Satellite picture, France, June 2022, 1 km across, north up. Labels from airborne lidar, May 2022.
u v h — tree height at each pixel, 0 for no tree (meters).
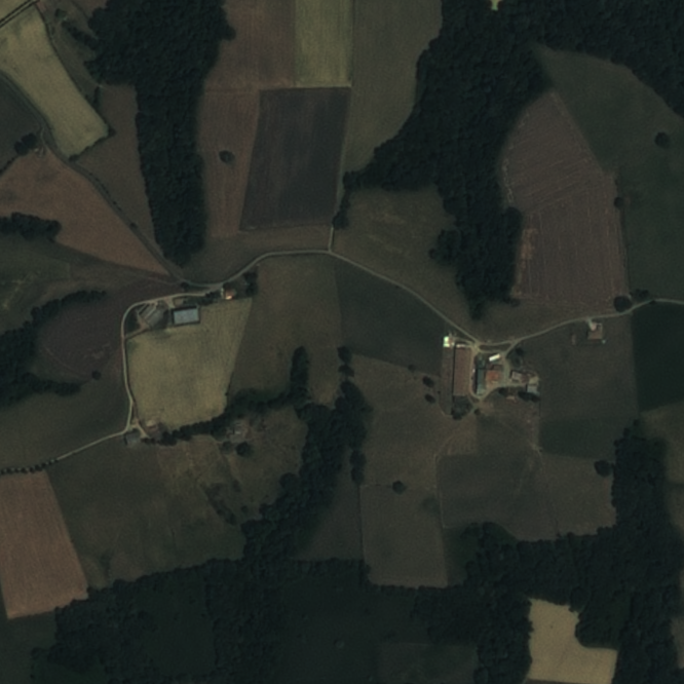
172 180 25
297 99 0
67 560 0
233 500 0
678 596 18
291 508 19
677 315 0
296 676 0
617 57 19
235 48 0
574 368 0
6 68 0
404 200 0
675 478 0
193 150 24
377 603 0
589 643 12
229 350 0
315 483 27
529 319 0
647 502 28
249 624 25
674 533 19
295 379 14
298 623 0
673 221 0
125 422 0
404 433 0
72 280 0
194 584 0
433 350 0
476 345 0
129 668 28
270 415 0
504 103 13
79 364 0
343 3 0
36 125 0
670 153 0
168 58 20
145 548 0
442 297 0
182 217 21
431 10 0
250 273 6
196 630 0
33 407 0
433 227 0
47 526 0
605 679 0
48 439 0
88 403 0
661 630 26
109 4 14
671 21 15
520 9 18
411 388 0
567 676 0
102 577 0
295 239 0
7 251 0
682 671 17
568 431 0
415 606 8
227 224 0
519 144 0
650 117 0
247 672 21
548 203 0
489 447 0
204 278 0
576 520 0
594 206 0
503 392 14
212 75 0
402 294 0
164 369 0
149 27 16
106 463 0
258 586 20
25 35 0
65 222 0
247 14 0
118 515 0
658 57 20
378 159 7
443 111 13
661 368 0
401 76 0
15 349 19
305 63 0
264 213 0
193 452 0
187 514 0
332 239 0
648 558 25
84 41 6
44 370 0
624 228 0
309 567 11
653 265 0
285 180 0
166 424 0
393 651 0
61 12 8
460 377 0
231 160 11
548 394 0
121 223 0
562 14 20
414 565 0
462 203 19
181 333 0
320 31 0
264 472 0
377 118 0
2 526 0
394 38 0
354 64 0
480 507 0
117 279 0
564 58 0
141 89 16
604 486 0
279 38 0
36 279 0
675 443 0
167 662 0
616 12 14
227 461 0
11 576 0
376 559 0
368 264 0
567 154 0
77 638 20
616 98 0
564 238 0
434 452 0
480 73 22
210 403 0
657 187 0
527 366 0
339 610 0
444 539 0
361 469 10
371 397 0
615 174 0
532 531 0
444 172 21
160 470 0
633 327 0
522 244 0
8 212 0
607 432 0
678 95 22
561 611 0
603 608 11
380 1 0
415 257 0
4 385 22
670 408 0
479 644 14
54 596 0
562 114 0
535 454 0
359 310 0
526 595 23
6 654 0
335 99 0
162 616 0
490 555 19
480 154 21
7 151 0
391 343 0
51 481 0
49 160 0
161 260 0
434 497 0
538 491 0
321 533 0
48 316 15
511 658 26
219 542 0
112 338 0
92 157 0
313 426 20
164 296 0
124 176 0
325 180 0
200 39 12
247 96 0
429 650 0
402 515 0
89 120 0
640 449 24
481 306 10
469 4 18
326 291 0
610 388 0
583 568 8
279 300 0
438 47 18
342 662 0
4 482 0
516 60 13
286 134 0
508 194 0
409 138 17
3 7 0
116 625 24
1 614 0
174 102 22
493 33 21
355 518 0
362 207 0
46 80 0
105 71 19
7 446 0
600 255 0
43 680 0
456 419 7
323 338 0
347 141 0
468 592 16
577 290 0
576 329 0
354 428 24
